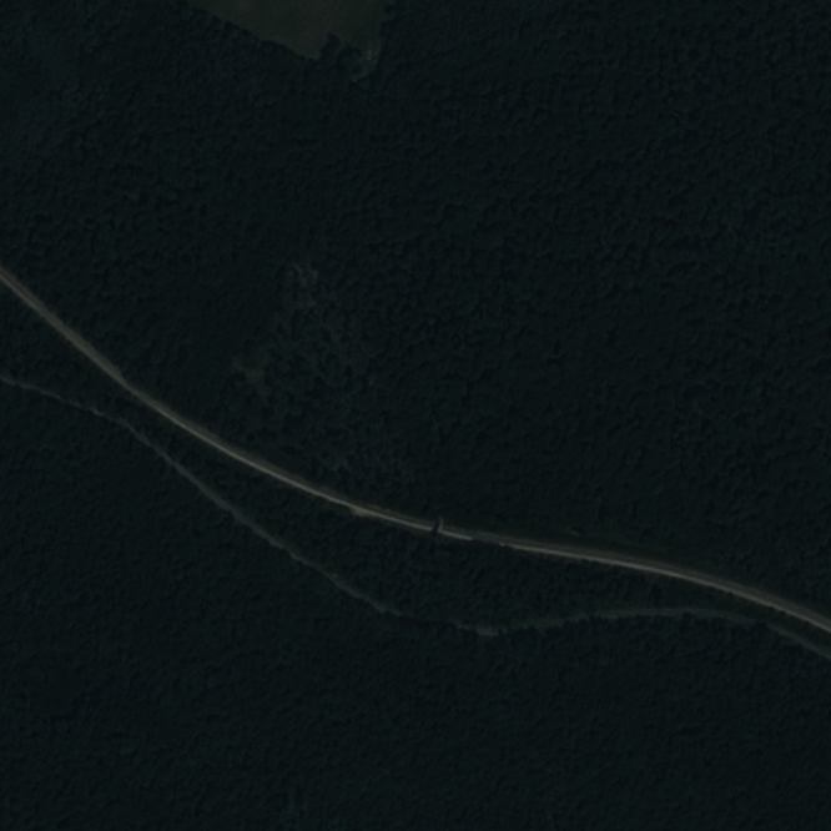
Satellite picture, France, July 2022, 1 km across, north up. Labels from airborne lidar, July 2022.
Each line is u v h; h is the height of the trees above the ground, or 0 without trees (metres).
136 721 27
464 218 28
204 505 19
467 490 26
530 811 23
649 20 25
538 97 19
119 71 24
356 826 19
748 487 21
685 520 25
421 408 26
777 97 25
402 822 17
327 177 25
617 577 6
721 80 26
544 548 0
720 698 23
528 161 28
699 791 23
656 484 27
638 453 24
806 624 9
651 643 23
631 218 26
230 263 23
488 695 18
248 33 13
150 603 28
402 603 26
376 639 20
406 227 27
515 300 28
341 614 23
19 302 10
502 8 17
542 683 25
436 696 21
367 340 25
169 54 19
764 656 26
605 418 29
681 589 9
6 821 18
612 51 24
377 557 18
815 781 23
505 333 25
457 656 24
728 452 17
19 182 21
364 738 24
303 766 20
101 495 23
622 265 25
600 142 25
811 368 25
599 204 26
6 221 22
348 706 17
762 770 25
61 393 8
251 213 20
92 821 20
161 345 28
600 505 6
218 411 20
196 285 22
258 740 24
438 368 29
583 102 23
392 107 23
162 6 21
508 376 28
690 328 28
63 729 21
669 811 23
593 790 19
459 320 30
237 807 19
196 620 24
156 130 22
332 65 27
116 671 28
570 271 30
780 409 27
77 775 23
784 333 27
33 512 19
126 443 18
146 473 21
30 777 25
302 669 25
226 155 24
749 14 26
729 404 25
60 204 19
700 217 13
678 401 20
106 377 10
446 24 15
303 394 0
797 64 27
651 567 0
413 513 7
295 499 25
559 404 27
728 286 29
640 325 27
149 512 17
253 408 25
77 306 18
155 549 20
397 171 27
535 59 24
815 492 27
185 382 25
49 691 9
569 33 25
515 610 18
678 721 24
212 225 23
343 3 0
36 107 20
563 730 22
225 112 24
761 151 25
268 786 19
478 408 20
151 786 17
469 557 25
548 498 24
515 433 26
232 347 23
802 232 30
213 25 17
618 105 26
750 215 19
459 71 20
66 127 20
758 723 26
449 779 19
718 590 7
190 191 23
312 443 24
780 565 23
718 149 21
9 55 23
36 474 25
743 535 28
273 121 25
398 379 29
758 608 9
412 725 25
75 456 28
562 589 17
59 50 22
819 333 28
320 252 25
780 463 28
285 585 20
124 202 26
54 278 23
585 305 29
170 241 19
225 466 21
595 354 28
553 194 27
